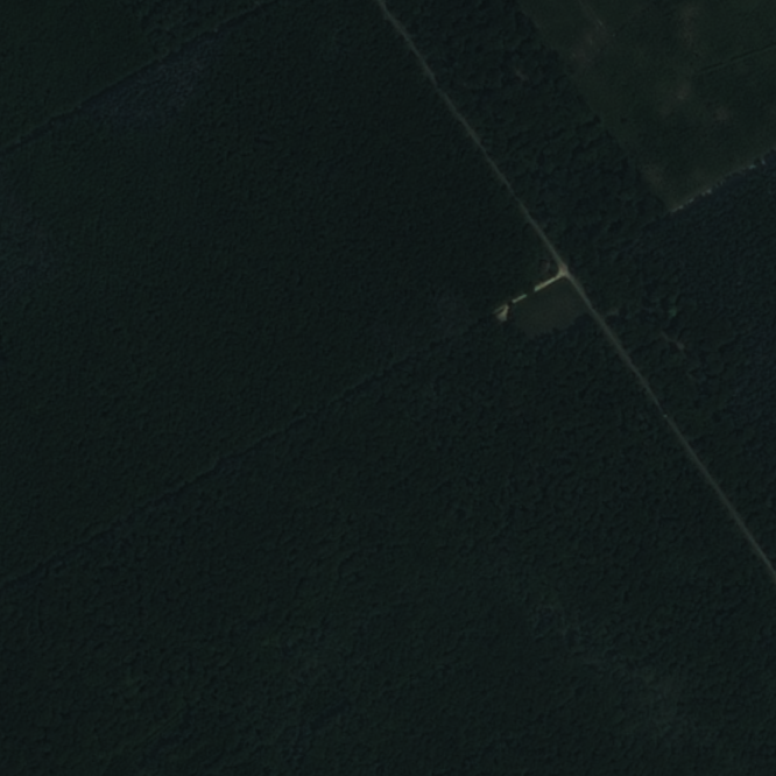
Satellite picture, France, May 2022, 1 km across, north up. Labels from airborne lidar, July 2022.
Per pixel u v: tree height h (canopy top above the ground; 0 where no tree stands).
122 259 17
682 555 22
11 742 30
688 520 29
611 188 37
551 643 30
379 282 18
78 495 24
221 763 18
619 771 30
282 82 22
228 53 22
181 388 22
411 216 20
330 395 21
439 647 24
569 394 29
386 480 27
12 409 20
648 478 28
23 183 24
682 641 24
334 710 10
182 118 19
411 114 20
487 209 24
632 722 23
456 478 29
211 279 19
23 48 16
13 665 28
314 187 19
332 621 25
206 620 25
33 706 29
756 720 27
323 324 22
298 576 25
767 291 25
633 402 27
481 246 22
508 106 34
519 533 30
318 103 23
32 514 21
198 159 19
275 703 25
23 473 19
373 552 26
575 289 0
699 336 27
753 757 28
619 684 24
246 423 22
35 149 18
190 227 17
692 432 25
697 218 24
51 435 23
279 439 22
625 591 21
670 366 26
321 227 21
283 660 23
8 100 19
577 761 24
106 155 17
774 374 21
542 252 15
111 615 27
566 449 30
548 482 24
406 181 21
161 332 21
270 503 26
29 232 26
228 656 24
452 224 20
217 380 22
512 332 22
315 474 28
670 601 24
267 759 22
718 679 26
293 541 23
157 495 21
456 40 28
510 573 25
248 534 26
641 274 22
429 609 25
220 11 24
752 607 25
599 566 26
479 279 24
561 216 28
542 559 27
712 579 22
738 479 28
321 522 29
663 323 30
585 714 27
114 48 16
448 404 25
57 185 21
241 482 24
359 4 21
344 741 25
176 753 22
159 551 27
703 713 21
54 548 22
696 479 25
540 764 25
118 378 25
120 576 27
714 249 23
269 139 19
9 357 20
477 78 30
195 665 29
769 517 27
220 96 22
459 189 21
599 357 28
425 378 24
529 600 25
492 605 24
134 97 21
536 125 26
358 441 24
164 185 16
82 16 16
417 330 22
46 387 22
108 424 21
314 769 25
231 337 22
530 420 28
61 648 28
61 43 17
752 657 23
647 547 27
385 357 20
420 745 28
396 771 26
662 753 33
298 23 22
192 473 23
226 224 20
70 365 21
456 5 29
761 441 26
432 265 20
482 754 23
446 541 27
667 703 28
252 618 27
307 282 22
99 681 27
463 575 25
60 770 28
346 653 19
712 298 24
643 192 32
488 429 28
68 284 18
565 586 23
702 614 25
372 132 24
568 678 23
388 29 22
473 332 20
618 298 28
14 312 20
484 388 27
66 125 19
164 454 22
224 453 20
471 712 26
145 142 16
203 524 26
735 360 31
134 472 23
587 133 25
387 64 22
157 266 20
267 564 26
